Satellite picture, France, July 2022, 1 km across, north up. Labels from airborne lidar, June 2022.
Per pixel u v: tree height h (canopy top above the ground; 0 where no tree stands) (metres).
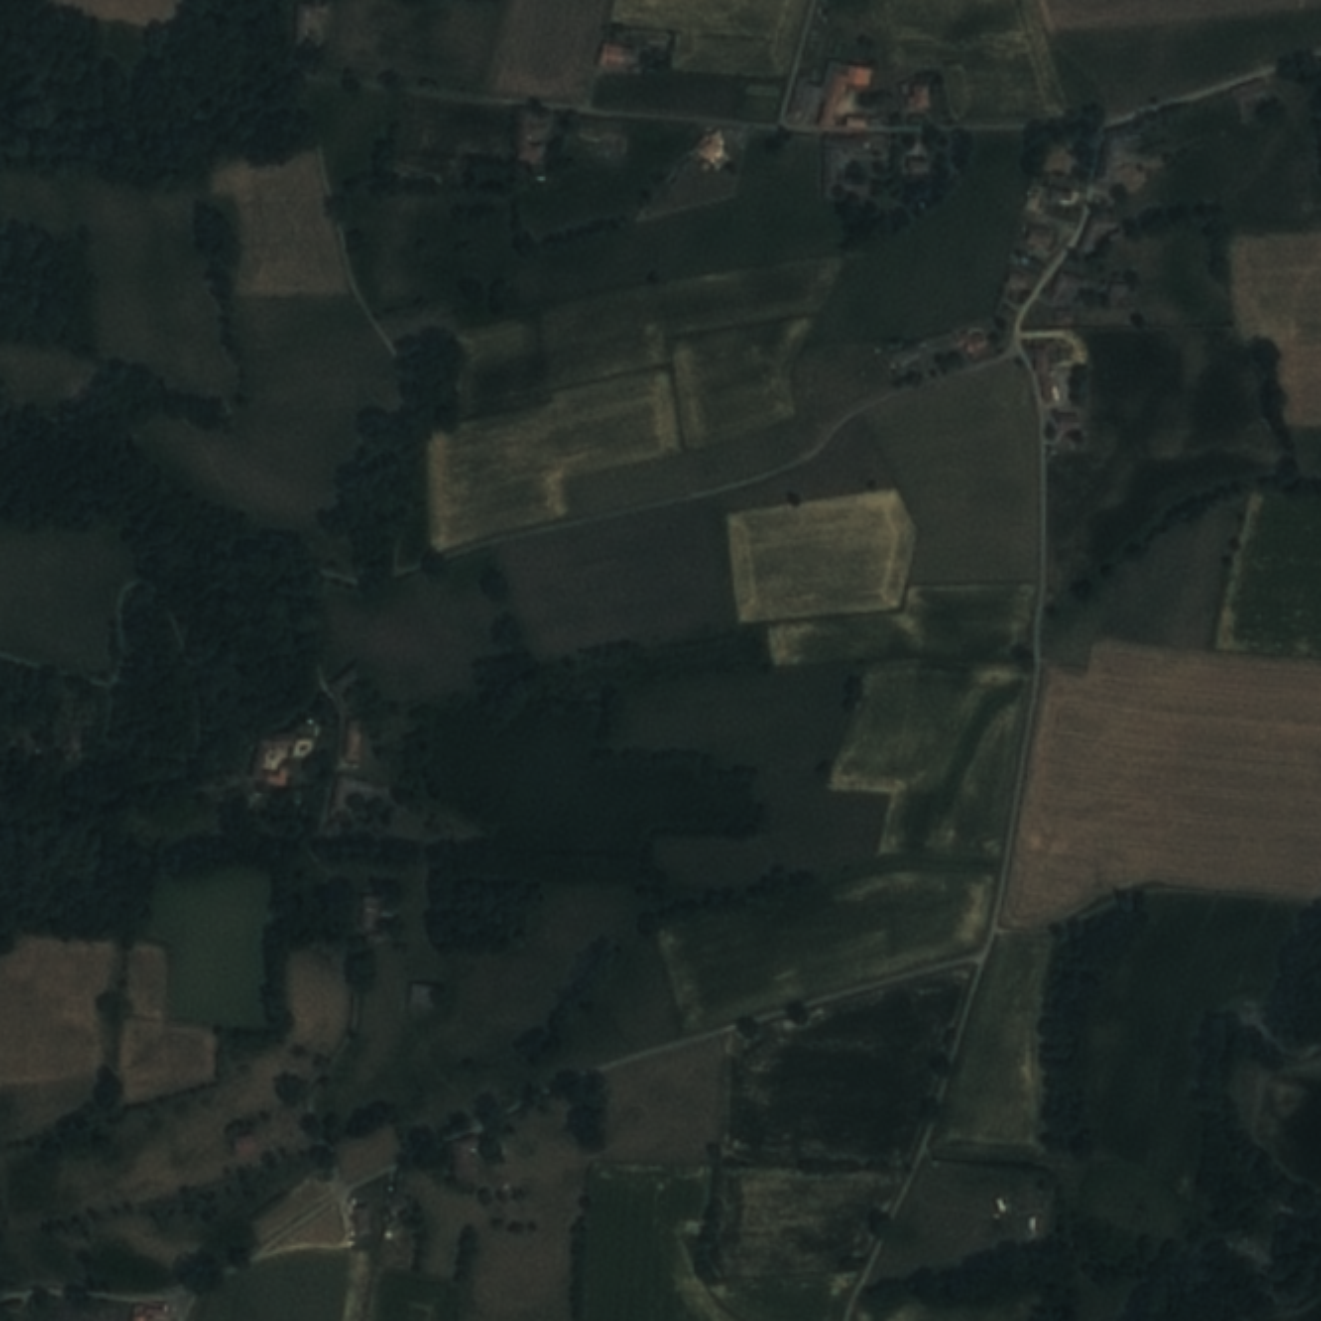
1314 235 0
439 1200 0
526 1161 0
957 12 0
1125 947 22
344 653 0
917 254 0
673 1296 0
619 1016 0
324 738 6
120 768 19
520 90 0
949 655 0
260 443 0
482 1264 0
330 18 0
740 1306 0
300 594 11
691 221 0
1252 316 0
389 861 15
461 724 6
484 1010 0
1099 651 0
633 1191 0
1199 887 0
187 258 0
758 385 0
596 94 0
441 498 0
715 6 0
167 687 17
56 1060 0
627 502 0
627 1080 0
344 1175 0
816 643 0
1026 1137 0
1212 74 0
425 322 0
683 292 0
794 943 0
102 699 9
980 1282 28
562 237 10
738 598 0
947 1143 0
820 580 0
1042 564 0
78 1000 0
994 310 0
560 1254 0
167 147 21
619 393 0
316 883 0
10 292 26
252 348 0
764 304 0
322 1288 0
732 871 0
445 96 0
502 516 0
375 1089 0
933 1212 0
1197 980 0
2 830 28
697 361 0
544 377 0
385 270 0
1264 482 11
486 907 16
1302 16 0
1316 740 0
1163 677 0
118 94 23
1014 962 0
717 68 0
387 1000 0
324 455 0
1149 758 0
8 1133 0
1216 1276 20
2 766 8
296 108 7
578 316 0
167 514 22
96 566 0
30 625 0
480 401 0
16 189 0
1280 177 0
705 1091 0
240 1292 0
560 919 0
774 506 0
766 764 0
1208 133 0
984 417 0
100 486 22
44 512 21
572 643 0
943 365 9
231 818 18
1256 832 0
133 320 0
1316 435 0
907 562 0
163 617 12
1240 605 0
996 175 0
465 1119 15
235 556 9
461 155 0
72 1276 0
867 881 0
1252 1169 7
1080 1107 17
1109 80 0
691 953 0
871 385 0
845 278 0
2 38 19
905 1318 0
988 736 0
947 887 0
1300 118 0
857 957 0
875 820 0
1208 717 0
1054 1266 26
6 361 0
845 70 0
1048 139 19
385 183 18
